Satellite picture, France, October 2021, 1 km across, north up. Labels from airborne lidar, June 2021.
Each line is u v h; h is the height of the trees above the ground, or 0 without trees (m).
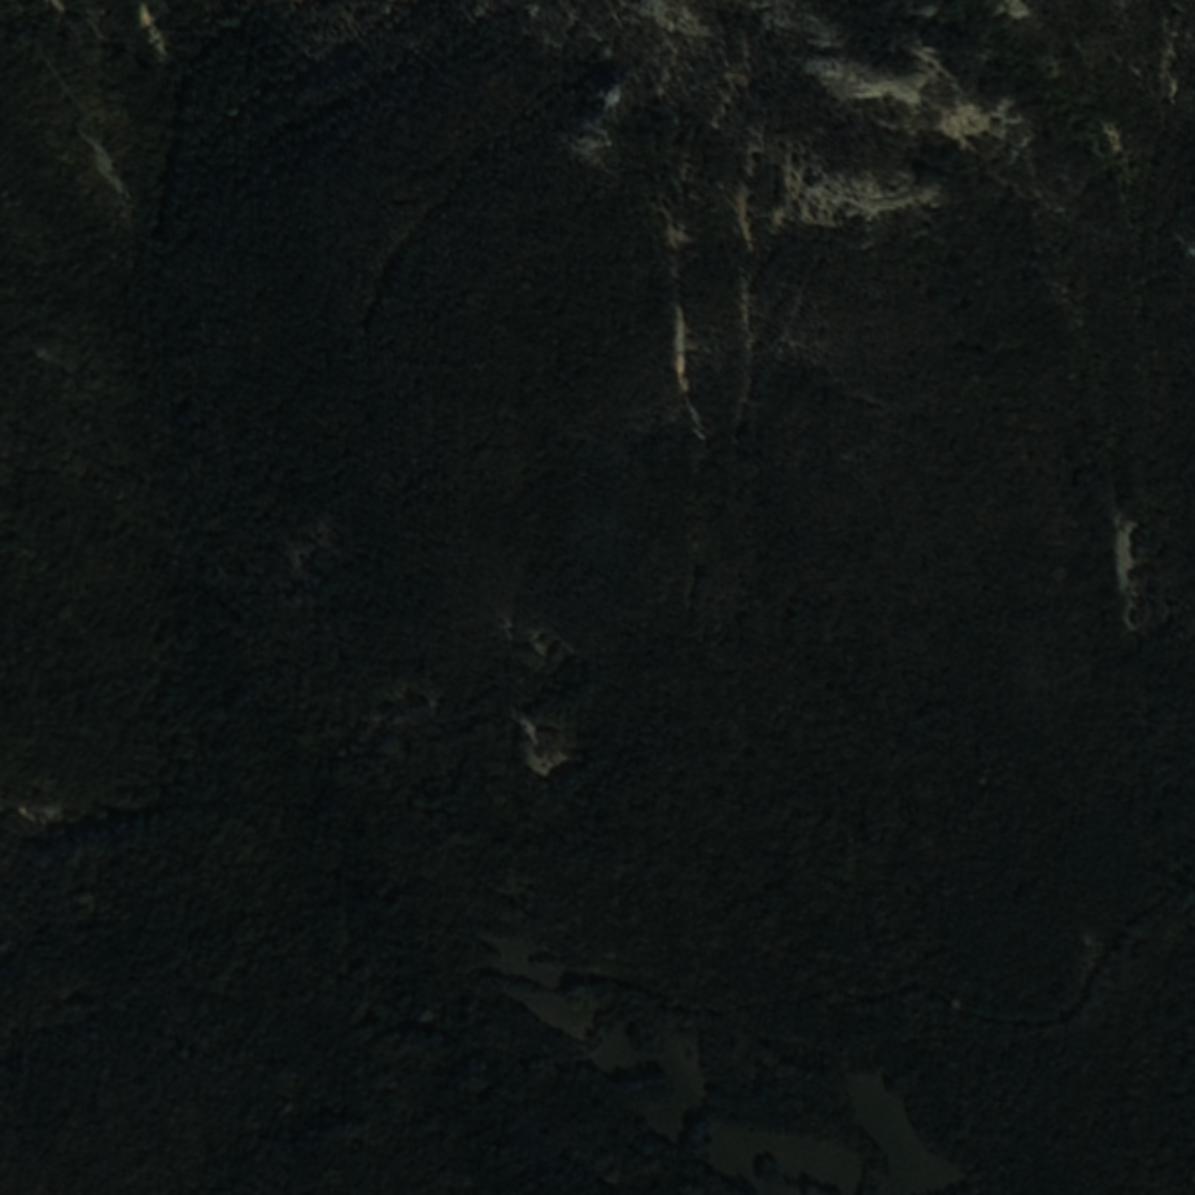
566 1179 26
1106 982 12
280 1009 17
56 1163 28
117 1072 21
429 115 22
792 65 11
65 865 21
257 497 31
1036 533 17
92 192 14
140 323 24
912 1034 19
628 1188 17
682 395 8
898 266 16
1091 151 15
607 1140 24
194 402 26
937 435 18
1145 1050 14
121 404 17
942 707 18
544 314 24
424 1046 24
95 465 14
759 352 13
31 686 23
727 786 17
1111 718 18
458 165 21
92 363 18
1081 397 26
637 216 19
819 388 15
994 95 8
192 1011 21
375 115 25
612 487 10
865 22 10
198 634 25
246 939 24
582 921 11
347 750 14
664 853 18
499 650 18
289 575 24
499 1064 21
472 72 20
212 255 23
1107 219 16
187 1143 21
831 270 11
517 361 20
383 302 25
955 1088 18
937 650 20
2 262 23
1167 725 18
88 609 22
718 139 20
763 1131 13
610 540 8
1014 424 19
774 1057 14
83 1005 15
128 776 21
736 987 15
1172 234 14
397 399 20
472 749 17
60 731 19
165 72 11
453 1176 23
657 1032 10
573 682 18
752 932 17
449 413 20
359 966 26
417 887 14
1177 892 11
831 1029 14
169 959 26
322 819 28
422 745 21
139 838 22
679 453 23
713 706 19
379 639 21
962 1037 13
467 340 20
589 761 23
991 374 24
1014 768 17
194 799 26
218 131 23
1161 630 15
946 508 18
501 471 16
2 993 25
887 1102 0
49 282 21
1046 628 14
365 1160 21
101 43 14
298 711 16
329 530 25
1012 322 24
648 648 16
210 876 24
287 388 28
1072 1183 17
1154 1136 20
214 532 21
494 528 21
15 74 22
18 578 22
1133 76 10
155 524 17
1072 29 12
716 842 20
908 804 19
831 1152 0
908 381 15
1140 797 21
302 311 27
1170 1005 14
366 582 23
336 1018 18
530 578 17
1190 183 17
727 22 21
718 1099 15
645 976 10
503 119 20
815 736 20
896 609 15
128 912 23
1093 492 23
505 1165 17
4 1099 24
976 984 11
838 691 23
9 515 20
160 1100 21
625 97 11
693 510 18
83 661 20
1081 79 16
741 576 20
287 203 17
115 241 23
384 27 9
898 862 20
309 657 17
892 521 11
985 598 16
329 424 24
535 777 12
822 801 20
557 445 23
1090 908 16
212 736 24
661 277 16
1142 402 15
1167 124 9
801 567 16
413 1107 17
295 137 29
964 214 25
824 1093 16
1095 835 7
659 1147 14
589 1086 16
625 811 20
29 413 17
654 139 27
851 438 13
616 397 17
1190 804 18
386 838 19
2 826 14
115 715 21
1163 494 18
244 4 19
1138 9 9
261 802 28
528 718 14
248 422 27
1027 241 21
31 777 16
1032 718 16
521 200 13
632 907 16
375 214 20
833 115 16
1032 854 16
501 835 16
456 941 11
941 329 15
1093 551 24
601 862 19
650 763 20
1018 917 11
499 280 19
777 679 17
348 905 19
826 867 20
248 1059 16
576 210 21
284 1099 18
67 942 22
